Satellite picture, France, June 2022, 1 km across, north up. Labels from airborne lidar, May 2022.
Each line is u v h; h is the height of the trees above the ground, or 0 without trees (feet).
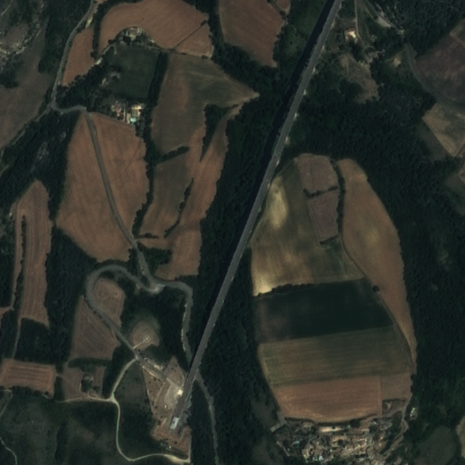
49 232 0
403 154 66
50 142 31
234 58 54
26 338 30
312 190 0
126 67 0
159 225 0
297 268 0
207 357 49
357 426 43
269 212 0
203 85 0
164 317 22
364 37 0
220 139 0
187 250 0
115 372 48
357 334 0
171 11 0
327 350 0
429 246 21
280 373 0
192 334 53
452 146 0
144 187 0
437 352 52
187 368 32
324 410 0
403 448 0
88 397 0
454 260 22
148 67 0
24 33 0
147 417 22
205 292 40
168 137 0
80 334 0
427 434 30
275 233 0
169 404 0
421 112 40
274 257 0
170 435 0
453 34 0
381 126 72
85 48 0
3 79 28
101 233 0
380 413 0
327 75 37
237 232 38
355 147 38
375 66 56
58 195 50
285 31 36
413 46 24
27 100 0
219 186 31
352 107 49
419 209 53
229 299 35
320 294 0
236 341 46
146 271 0
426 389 39
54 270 47
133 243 0
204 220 48
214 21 50
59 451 37
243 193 80
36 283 0
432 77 0
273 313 0
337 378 0
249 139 51
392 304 0
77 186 0
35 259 0
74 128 22
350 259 0
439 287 26
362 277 0
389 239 0
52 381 0
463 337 44
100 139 0
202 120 0
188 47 0
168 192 0
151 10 0
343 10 21
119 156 0
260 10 0
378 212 0
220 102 0
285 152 22
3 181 38
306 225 0
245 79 50
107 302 0
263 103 64
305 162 0
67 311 47
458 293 43
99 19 22
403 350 0
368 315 0
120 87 0
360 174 0
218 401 48
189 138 0
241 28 0
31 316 0
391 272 0
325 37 0
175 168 0
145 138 44
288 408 0
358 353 0
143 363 0
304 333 0
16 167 36
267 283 0
